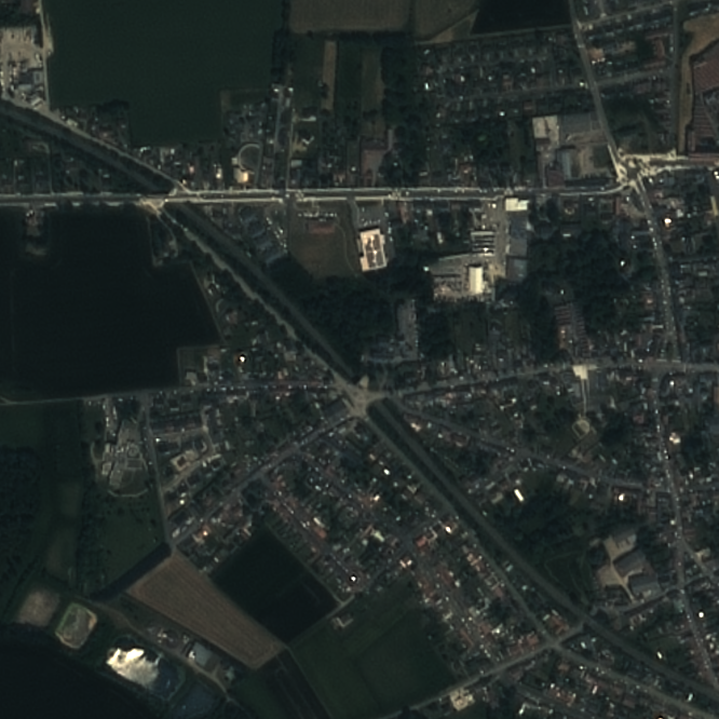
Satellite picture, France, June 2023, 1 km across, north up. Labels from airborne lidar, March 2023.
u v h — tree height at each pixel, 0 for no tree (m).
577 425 0
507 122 8
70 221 0
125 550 0
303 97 0
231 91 0
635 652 0
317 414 0
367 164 0
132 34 0
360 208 0
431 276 10
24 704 0
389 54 16
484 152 13
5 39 0
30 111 8
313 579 0
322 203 0
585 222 0
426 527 0
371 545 10
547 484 0
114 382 0
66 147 11
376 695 0
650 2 0
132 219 0
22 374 0
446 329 12
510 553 0
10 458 18
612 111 0
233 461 0
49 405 0
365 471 7
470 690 0
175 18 0
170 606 0
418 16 0
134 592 0
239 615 0
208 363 0
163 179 8
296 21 0
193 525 0
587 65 0
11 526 21
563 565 0
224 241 0
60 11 0
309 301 16
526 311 17
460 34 0
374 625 0
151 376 0
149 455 0
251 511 8
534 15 0
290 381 0
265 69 0
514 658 0
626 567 0
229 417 0
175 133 0
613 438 16
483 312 8
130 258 0
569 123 0
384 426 10
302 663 0
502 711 13
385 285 19
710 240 13
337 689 0
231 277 11
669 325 0
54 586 0
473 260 0
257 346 7
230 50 0
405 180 7
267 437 12
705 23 0
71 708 0
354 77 0
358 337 18
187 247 6
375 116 7
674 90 0
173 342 0
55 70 0
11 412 0
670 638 0
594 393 0
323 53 0
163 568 0
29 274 0
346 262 0
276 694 0
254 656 0
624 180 0
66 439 0
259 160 0
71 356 0
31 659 0
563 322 0
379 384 0
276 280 10
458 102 0
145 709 0
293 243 0
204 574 0
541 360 8
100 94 0
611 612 0
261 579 0
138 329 0
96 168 7
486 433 0
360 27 0
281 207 0
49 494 0
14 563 9
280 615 0
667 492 0
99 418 0
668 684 8
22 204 0
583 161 0
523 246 0
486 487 0
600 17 0
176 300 0
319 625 0
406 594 0
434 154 0
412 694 0
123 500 0
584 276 9
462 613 0
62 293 0
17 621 0
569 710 0
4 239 0
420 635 0
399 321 0
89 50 0
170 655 0
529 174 0
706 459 10
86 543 6
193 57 0
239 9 0
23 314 0
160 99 0
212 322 0
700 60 0
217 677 0
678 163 0
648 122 0
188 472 0
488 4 0
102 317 0
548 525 13
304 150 0
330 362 13
